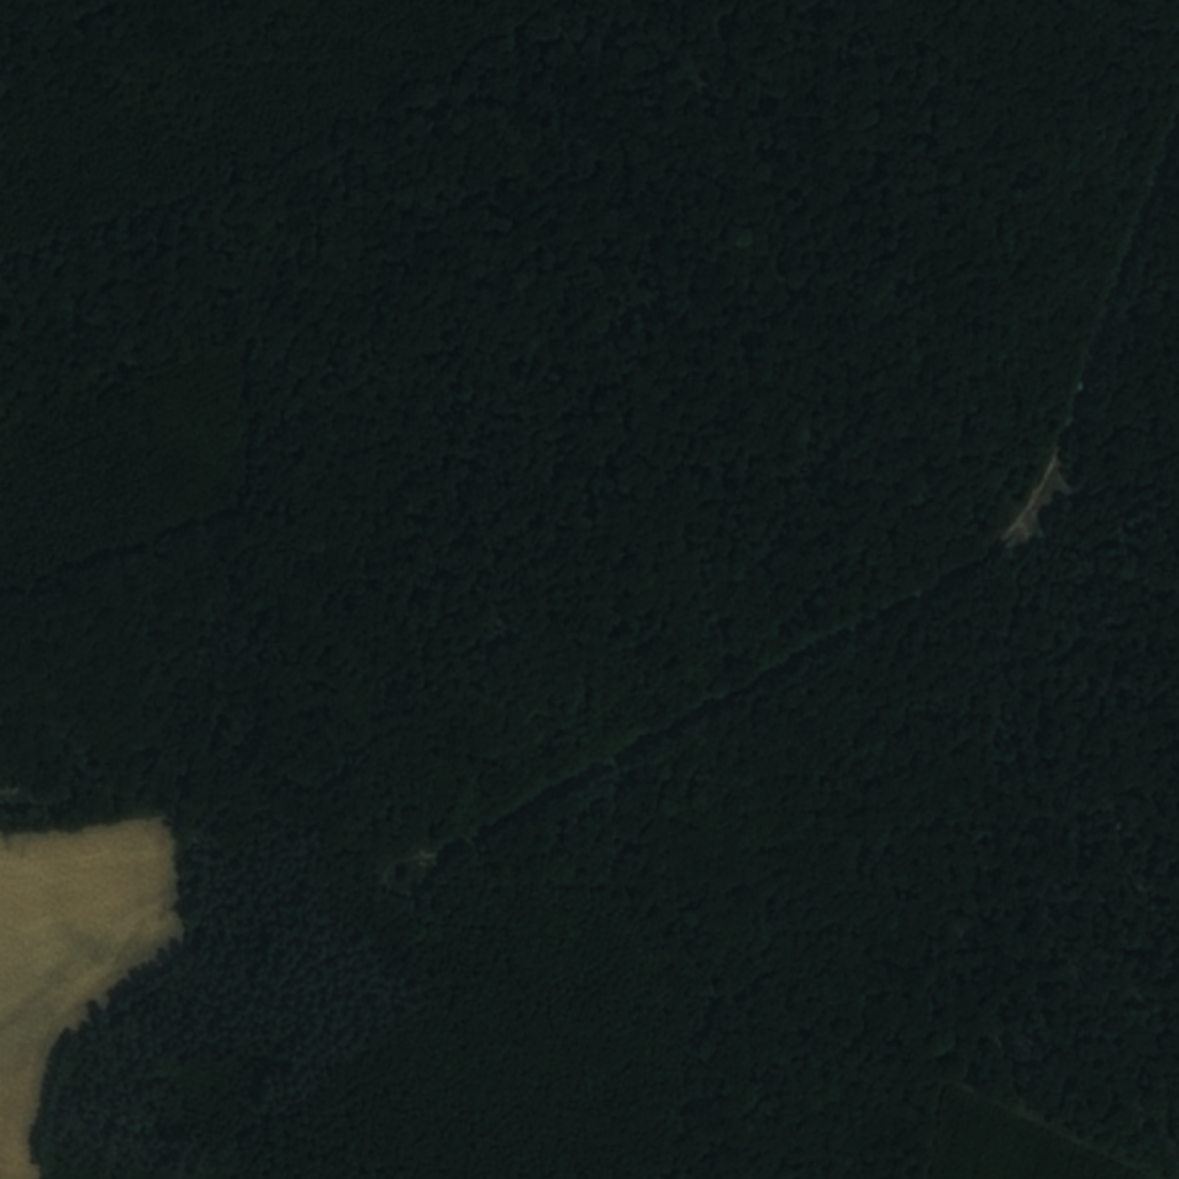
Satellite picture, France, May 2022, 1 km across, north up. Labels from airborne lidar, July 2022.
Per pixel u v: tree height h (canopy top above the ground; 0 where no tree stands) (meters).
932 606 23
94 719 28
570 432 28
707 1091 26
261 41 22
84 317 26
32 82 31
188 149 17
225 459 9
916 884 27
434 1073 19
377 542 30
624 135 30
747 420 29
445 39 22
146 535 14
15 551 15
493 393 29
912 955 27
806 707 26
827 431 32
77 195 19
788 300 21
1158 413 26
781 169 33
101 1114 29
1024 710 29
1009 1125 6
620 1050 19
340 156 25
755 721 31
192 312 29
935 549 26
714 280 30
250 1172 22
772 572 29
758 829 28
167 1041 28
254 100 18
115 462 14
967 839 29
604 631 23
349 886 18
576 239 29
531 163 29
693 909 26
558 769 23
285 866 27
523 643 23
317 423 29
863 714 28
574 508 31
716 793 25
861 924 30
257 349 21
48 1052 0
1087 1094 28
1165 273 28
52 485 14
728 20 10
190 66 20
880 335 30
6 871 0
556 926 16
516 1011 19
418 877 0
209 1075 13
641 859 27
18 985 0
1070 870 30
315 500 28
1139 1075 17
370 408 27
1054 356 27
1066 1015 28
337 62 21
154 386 15
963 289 28
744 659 21
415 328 28
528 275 29
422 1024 17
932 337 27
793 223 30
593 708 22
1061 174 24
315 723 30
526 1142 17
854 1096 31
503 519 30
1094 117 24
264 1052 11
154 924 0
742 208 30
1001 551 24
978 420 22
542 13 24
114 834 0
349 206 30
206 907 31
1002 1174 6
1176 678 28
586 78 29
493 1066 19
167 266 28
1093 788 32
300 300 30
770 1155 29
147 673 31
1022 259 19
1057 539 19
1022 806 28
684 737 22
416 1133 20
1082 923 31
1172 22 26
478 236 30
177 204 22
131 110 18
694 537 27
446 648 29
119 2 28
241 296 24
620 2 29
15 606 31
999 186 30
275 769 31
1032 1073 29
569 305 28
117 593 30
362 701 24
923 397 27
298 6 25
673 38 30
